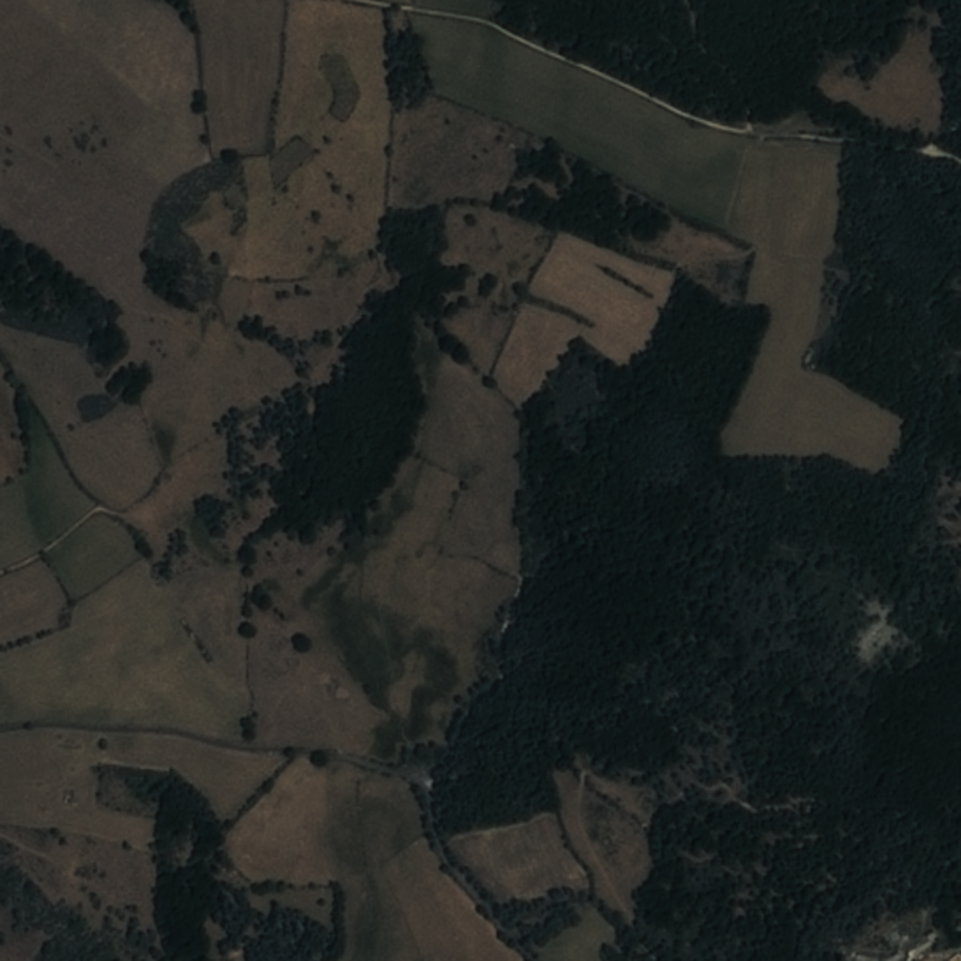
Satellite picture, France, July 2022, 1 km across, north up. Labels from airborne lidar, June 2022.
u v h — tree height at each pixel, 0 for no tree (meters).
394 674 0
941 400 12
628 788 0
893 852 18
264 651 0
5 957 0
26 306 12
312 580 0
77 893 0
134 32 0
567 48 10
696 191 0
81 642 0
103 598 0
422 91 12
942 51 13
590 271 0
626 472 12
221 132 0
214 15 0
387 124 0
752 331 13
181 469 0
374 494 12
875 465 0
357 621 0
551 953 0
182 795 15
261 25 0
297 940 19
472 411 0
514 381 0
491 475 0
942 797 21
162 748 0
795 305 0
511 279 0
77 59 0
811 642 10
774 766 13
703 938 13
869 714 12
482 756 12
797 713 12
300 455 11
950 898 18
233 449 14
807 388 0
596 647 14
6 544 0
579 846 0
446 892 0
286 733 0
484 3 0
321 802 0
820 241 0
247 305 0
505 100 0
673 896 12
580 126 0
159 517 0
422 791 15
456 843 0
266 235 0
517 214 9
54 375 0
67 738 0
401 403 18
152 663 0
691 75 11
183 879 13
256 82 0
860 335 10
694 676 12
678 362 13
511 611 7
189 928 21
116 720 0
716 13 8
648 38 11
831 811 12
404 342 13
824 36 9
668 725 10
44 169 0
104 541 0
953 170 17
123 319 0
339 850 0
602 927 0
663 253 0
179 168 0
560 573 16
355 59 0
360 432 17
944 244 13
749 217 0
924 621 7
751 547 9
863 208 8
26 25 0
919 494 13
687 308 13
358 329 12
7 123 0
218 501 11
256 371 0
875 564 8
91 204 0
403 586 0
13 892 0
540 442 15
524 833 0
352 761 0
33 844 0
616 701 18
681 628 6
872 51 14
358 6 0
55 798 0
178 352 0
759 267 0
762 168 0
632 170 0
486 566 0
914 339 10
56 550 0
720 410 15
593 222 12
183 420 0
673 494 18
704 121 0
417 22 0
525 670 13
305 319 0
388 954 0
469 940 0
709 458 15
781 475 11
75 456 0
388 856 0
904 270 15
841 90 0
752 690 9
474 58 0
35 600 0
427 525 0
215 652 0
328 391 16
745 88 11
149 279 10
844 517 10
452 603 0
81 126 0
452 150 0
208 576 0
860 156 11
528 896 0
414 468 0
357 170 0
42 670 0
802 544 11
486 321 0
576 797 0
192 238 0
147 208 0
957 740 19
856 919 12
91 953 6
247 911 14
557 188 7
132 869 0
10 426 0
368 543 0
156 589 0
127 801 0
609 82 0
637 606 17
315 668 0
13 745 0
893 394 11
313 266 0
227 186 0
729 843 15
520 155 9
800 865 15
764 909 11
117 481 0
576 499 6
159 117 0
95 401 0
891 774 15
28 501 0
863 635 0
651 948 7
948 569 13
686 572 13
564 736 19
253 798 7
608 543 13
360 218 0
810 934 14
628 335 0
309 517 14
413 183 0
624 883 0
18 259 9
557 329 0
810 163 0
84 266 0
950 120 12
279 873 0
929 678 15
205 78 0
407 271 14
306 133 0
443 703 0
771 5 11
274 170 0
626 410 12
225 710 0
